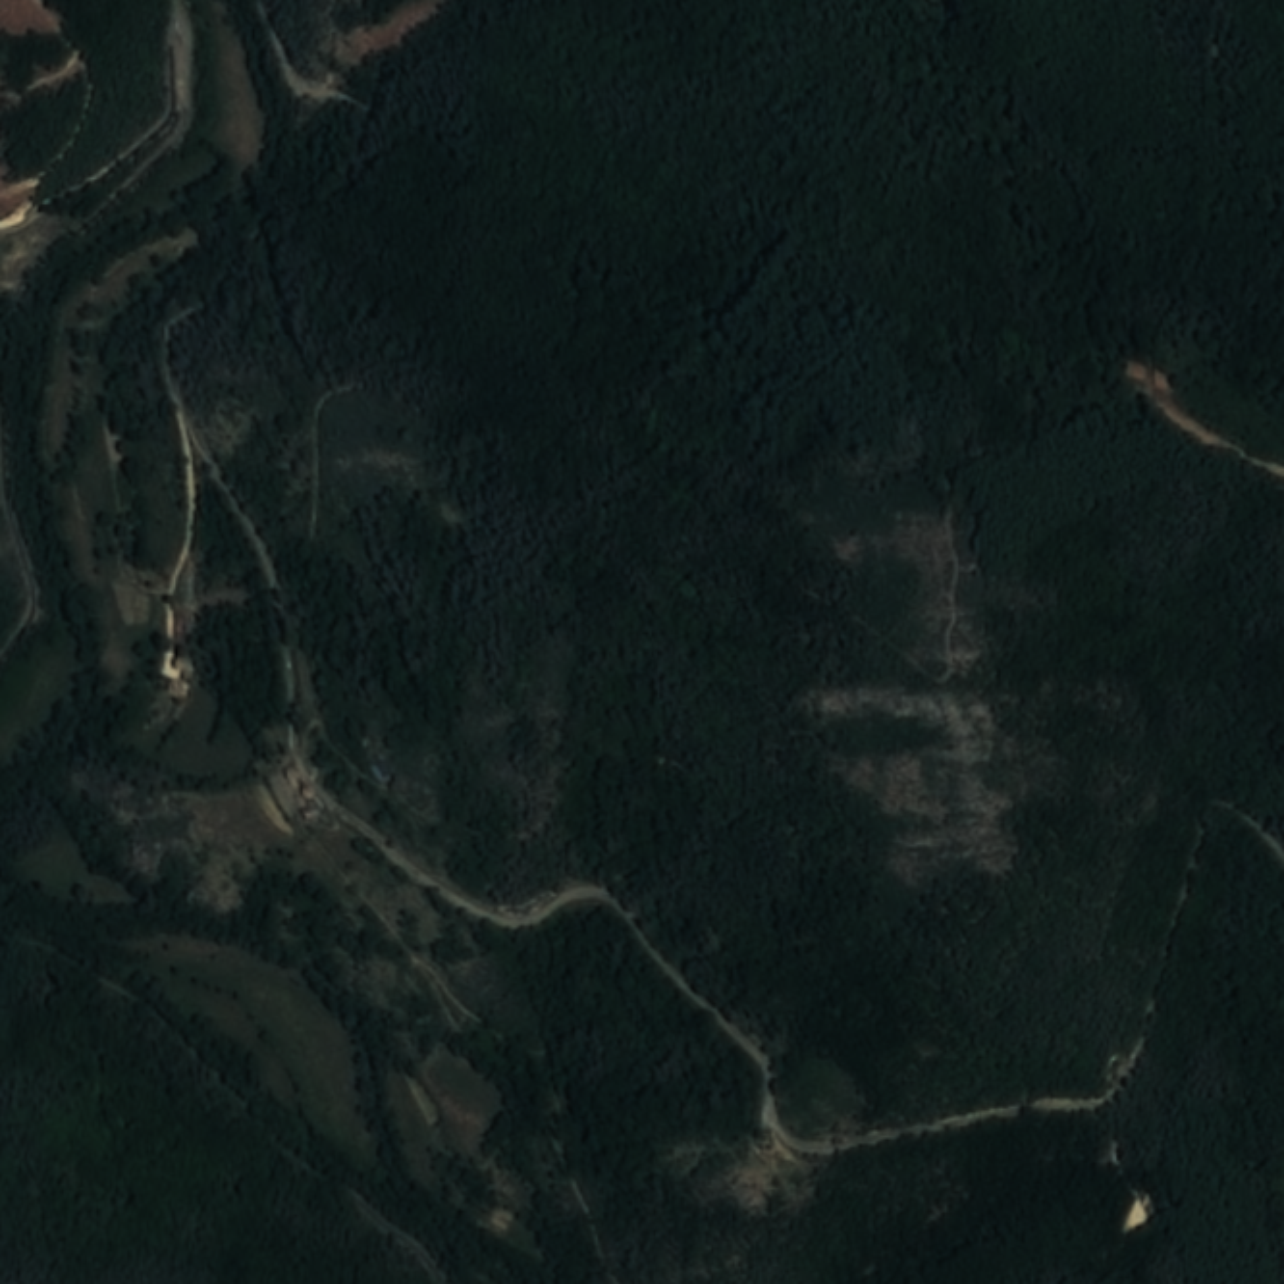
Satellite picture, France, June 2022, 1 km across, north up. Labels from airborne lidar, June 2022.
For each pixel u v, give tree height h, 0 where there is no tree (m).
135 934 20
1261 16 14
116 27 21
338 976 18
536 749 14
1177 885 12
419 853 0
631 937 12
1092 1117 12
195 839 0
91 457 0
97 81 14
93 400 0
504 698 6
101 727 17
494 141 18
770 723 15
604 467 16
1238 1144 23
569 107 19
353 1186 18
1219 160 15
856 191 19
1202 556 13
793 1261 8
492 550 25
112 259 15
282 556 8
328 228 26
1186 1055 23
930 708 0
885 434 30
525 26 25
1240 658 21
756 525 18
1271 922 11
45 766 17
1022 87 20
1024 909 13
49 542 18
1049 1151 12
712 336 21
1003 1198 11
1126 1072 0
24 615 11
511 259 24
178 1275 21
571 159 18
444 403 17
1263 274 9
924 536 0
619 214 27
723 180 18
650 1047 14
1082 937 9
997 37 24
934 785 0
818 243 11
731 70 16
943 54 18
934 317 17
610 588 16
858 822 6
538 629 8
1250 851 18
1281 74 14
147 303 17
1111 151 15
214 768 0
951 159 23
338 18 13
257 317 15
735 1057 10
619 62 16
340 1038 0
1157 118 18
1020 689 12
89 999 23
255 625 11
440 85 15
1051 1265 12
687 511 19
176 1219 21
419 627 14
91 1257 20
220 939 14
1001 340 21
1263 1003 17
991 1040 11
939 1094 7
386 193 23
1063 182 8
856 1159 12
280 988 0
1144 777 9
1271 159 17
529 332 19
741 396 16
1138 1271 11
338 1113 0
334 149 29
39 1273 19
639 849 13
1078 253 15
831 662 13
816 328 32
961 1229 12
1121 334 14
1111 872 12
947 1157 11
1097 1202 14
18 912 21
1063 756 10
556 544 21
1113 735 7
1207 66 16
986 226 19
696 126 22
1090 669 13
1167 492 20
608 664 20
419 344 17
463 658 11
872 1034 7
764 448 16
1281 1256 23
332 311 21
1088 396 18
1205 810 17
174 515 0
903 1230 10
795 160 15
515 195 28
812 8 18
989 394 17
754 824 19
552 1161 7
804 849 15
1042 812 10
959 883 6
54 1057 15
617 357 22
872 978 7
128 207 7
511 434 17
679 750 16
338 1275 14
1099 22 21
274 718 10
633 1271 12
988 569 14
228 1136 24
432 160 17
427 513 14
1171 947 14
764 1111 0
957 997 11
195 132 6
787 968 9
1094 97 20
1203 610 21
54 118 11
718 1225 9
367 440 0
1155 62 16
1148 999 16
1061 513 28
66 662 0
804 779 12
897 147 28
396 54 22
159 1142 19
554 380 21
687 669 17
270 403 0
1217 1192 31
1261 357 17
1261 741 14
